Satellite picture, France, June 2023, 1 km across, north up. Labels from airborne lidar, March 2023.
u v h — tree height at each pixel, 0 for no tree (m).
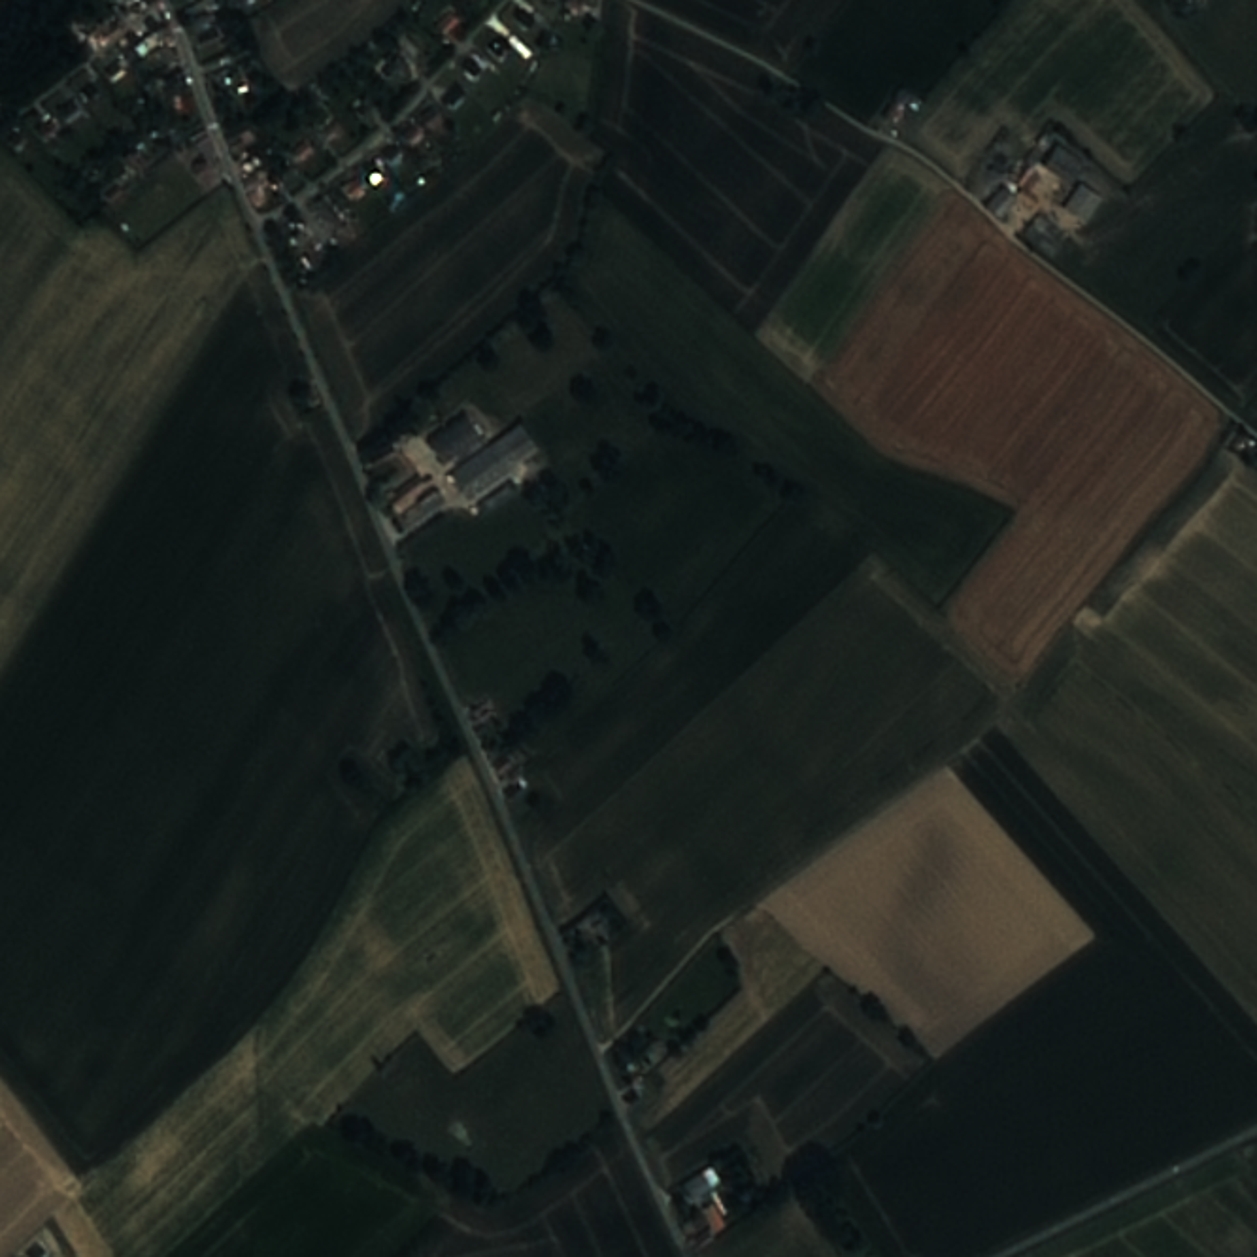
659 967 0
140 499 0
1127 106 0
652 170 0
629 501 0
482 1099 0
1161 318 0
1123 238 0
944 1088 0
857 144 0
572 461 0
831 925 0
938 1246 0
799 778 0
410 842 0
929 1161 0
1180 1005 0
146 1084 0
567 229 0
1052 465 0
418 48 0
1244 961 0
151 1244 0
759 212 0
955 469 0
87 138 0
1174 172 0
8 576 0
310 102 12
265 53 0
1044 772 0
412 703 0
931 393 0
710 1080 0
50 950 0
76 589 0
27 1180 0
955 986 0
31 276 0
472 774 0
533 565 22
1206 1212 0
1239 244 0
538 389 0
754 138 0
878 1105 0
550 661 0
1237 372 0
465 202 0
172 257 0
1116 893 0
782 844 0
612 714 0
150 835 0
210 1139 0
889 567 0
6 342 0
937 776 0
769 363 0
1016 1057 0
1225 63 0
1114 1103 0
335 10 0
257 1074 0
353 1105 0
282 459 0
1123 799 0
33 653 0
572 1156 12
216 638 0
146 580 0
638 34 0
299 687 0
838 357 0
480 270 0
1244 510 0
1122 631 0
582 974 0
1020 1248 0
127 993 0
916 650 0
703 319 0
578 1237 0
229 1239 0
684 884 0
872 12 0
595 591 17
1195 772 0
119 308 0
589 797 0
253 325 0
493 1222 0
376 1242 0
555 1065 0
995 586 0
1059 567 0
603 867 0
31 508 0
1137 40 0
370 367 0
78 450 0
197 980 0
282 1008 0
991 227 0
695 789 0
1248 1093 0
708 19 0
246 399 0
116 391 0
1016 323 0
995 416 0
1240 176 0
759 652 0
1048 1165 0
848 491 0
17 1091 0
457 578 19
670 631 12
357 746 0
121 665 0
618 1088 0
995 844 0
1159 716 0
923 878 0
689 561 0
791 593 0
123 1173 0
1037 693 0
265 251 0
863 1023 0
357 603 0
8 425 0
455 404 0
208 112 0
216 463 0
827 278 0
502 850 0
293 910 0
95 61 0
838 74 0
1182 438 0
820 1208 33
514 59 0
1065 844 0
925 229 0
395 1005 0
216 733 0
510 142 0
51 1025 0
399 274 0
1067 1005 0
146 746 0
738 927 0
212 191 0
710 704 0
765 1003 0
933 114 0
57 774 0
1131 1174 0
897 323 0
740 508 0
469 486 0
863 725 0
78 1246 0
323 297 0
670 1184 0
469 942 0
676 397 0
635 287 0
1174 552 0
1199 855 0
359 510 0
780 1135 0
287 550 0
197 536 0
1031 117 0
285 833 0
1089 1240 0
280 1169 0
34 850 0
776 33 0
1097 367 0
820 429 0
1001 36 0
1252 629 0
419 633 0
